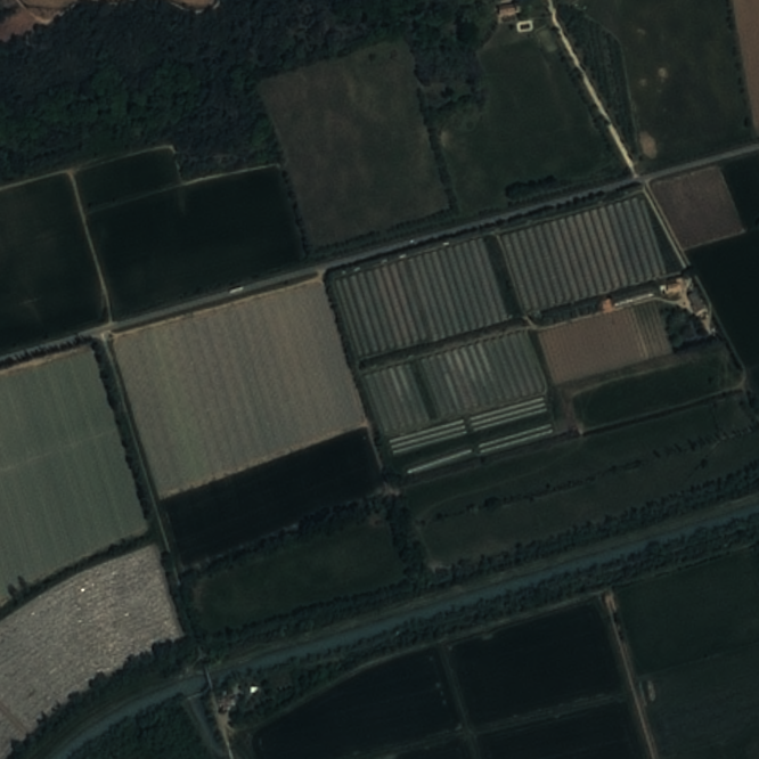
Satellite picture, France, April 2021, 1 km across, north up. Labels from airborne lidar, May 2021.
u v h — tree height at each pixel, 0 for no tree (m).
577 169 0
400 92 0
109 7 10
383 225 0
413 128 0
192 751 12
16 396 0
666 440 0
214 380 0
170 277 0
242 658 0
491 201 0
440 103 19
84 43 10
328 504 0
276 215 0
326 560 0
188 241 0
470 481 0
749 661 0
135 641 0
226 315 0
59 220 0
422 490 0
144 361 0
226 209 0
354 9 21
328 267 0
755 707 0
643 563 7
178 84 18
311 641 0
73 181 0
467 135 0
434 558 0
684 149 0
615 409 0
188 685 0
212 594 0
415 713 0
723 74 0
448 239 12
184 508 0
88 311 0
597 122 9
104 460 0
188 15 6
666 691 0
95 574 0
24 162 15
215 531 0
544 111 0
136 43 6
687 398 0
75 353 0
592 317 0
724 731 0
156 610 0
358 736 0
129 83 10
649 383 0
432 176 0
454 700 0
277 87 0
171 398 0
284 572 0
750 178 0
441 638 13
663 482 0
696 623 0
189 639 11
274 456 0
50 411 0
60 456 0
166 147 0
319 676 11
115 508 0
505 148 0
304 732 0
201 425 0
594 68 7
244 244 0
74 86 9
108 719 0
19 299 0
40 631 0
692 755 0
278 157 7
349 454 0
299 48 16
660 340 0
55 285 0
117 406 21
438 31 22
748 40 0
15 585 0
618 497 0
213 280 0
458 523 0
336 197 0
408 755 0
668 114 0
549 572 0
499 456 6
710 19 0
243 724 14
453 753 0
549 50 0
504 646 0
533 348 0
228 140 8
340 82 0
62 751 0
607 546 0
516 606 10
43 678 0
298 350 0
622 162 0
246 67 15
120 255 0
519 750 0
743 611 0
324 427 0
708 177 0
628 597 0
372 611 9
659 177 0
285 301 0
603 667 0
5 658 0
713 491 10
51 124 9
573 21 10
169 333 0
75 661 0
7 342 0
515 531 0
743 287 0
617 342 0
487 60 0
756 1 0
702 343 13
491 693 0
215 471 0
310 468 0
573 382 0
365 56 0
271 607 0
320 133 0
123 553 8
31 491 0
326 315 0
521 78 0
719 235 0
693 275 10
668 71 0
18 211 0
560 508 0
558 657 0
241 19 6
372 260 9
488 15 24
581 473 0
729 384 0
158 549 0
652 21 0
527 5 19
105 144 0
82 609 0
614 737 0
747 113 0
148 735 16
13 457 0
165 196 0
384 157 0
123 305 0
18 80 6
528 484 0
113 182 0
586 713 0
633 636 0
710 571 0
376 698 0
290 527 0
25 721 0
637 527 7
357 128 0
